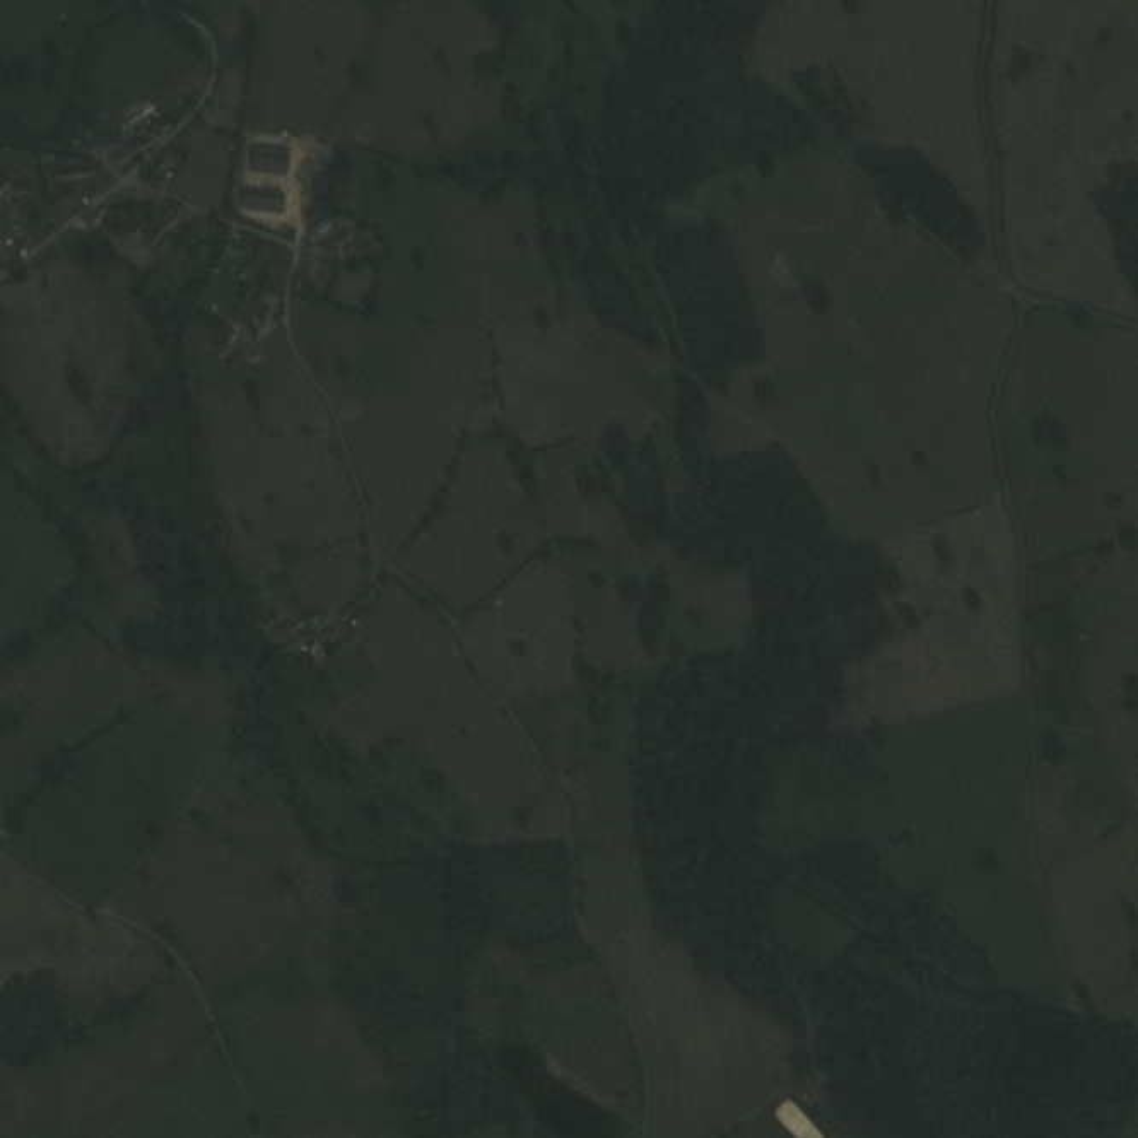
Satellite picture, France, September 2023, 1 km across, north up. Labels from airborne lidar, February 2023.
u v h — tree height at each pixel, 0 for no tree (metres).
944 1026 10
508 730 0
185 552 14
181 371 9
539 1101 0
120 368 0
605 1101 0
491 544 0
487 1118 10
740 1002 0
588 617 0
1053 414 0
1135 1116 0
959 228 11
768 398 17
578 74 0
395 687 0
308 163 0
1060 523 0
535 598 0
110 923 0
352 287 0
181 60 0
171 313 9
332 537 0
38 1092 0
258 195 0
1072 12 0
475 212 0
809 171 0
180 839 0
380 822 19
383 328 0
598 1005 0
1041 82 0
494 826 0
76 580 18
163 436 0
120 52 0
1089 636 0
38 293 0
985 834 0
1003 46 0
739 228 0
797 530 6
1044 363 0
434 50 0
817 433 0
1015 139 0
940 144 0
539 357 0
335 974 0
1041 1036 9
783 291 0
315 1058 0
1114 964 0
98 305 0
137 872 0
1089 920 0
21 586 0
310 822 14
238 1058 0
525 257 0
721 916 6
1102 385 0
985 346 0
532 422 0
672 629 0
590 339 0
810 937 0
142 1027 0
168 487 0
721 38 8
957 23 0
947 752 0
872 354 0
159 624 6
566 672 0
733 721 8
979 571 0
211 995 0
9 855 0
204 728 0
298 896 0
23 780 0
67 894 0
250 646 20
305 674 0
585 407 0
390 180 15
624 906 0
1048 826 0
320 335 0
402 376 0
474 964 7
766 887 9
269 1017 0
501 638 0
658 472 14
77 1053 0
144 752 0
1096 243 0
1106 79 0
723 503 11
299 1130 0
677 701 9
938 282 0
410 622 0
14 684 0
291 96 0
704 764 18
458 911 9
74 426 0
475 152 0
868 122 0
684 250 9
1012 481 0
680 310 11
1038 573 0
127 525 8
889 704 0
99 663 0
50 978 9
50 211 0
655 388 0
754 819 13
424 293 0
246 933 0
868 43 0
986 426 0
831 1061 7
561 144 0
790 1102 0
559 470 0
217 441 0
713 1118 0
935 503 0
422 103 0
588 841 0
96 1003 0
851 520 0
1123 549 6
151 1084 0
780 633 17
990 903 0
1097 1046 6
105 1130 0
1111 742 0
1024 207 0
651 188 14
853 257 0
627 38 18
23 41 0
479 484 0
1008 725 0
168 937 9
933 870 0
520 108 9
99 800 0
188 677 0
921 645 0
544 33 0
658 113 9
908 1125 13
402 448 0
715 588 0
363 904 0
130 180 0
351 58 0
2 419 0
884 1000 20
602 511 0
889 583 16
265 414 0
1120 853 0
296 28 0
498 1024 0
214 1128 0
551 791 0
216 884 0
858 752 7
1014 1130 7
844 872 17
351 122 0
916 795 0
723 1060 0
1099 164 0
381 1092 0
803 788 0
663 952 0
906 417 0
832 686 10
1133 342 0
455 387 0
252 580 0
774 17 0
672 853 22
